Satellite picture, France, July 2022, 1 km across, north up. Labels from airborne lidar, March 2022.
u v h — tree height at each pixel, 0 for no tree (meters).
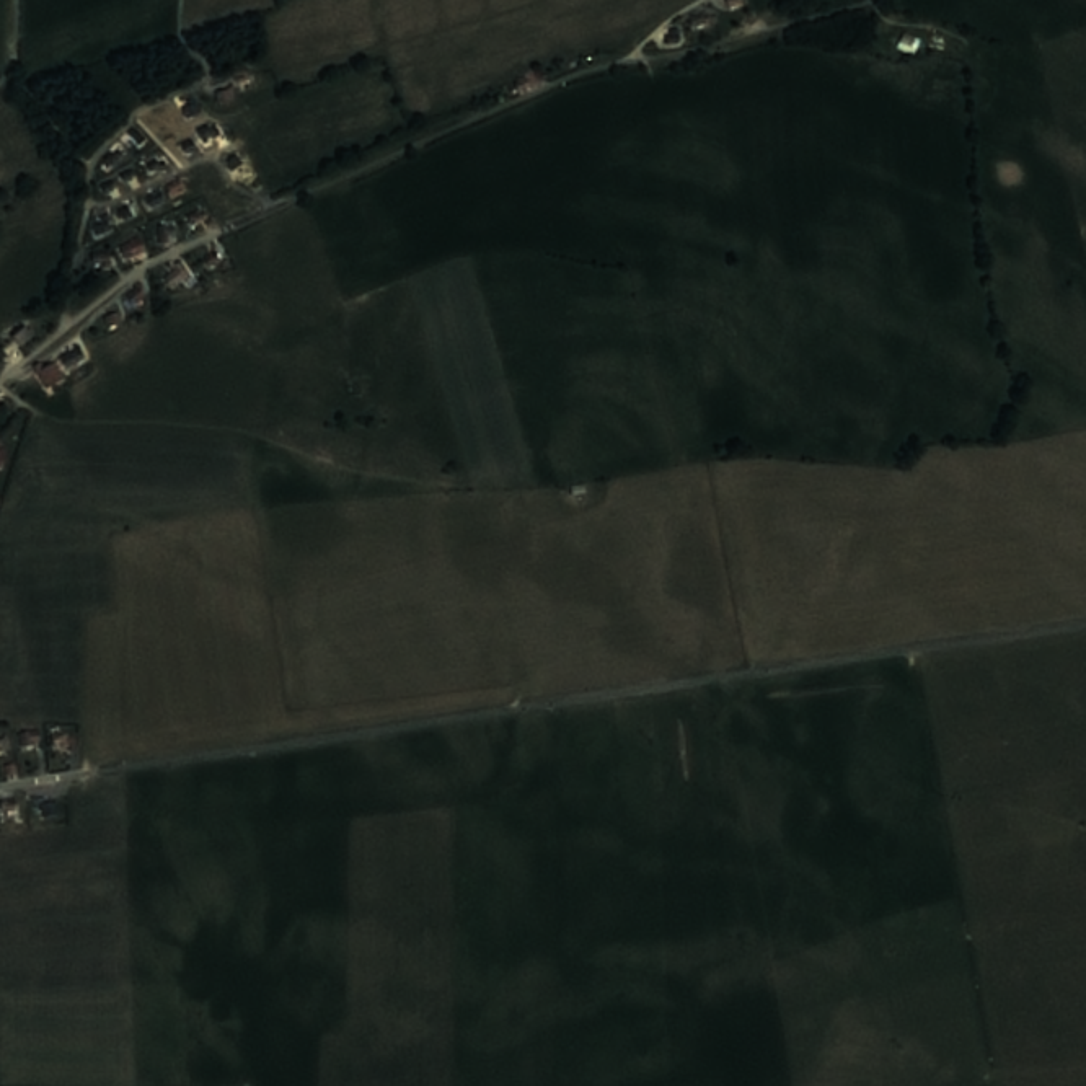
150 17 0
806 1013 0
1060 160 0
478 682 0
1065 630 0
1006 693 0
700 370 0
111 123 23
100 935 0
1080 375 0
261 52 17
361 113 0
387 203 0
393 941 0
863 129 0
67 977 0
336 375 0
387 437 0
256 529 0
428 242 0
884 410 0
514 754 0
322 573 0
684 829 0
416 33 0
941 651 0
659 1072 0
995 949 0
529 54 0
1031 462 0
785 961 0
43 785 0
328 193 0
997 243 0
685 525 0
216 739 0
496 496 0
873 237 0
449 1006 0
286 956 0
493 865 0
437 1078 0
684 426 0
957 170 0
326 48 0
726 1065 0
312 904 0
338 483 0
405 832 0
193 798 0
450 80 0
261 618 0
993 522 0
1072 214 0
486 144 0
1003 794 0
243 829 0
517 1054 0
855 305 0
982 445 9
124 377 0
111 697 0
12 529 0
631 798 0
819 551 0
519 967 0
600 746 0
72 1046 0
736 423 0
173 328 0
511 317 0
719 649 0
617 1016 0
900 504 0
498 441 0
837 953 0
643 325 0
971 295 0
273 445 0
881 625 0
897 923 0
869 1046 0
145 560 0
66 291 15
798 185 0
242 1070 0
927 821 0
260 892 0
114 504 0
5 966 0
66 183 14
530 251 0
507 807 0
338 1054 0
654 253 0
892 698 0
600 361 0
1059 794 0
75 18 0
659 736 0
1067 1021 0
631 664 0
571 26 0
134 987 0
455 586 0
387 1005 0
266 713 0
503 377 0
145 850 0
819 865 0
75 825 0
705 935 0
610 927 0
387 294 0
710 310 0
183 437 0
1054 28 0
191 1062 0
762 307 0
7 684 0
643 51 0
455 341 0
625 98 0
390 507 0
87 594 0
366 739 0
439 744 0
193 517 0
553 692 0
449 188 0
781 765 0
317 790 0
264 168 0
